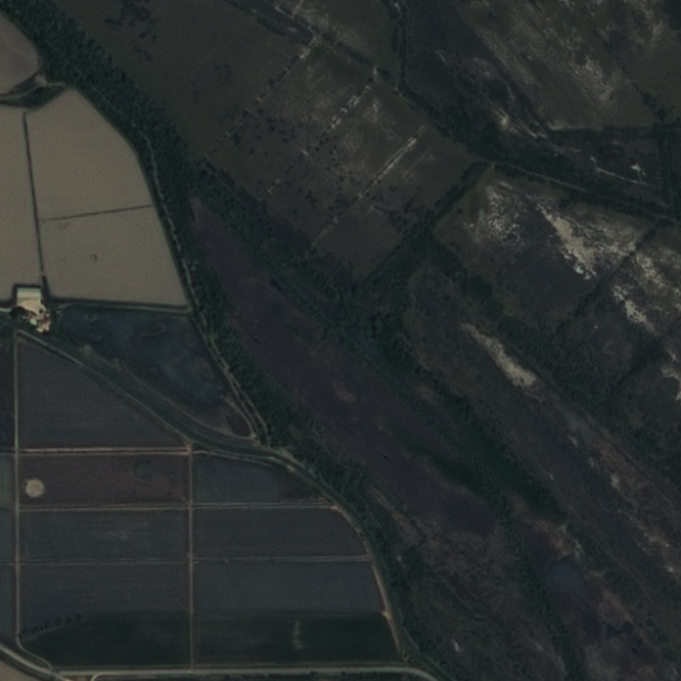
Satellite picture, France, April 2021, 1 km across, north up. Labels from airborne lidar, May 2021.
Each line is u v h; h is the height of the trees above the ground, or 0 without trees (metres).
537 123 0
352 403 0
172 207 8
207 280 9
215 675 0
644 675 0
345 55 0
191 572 0
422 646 9
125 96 9
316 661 0
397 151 0
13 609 0
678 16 0
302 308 6
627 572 0
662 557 0
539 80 0
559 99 0
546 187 0
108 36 0
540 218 0
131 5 0
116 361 0
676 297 0
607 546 0
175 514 0
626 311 0
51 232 0
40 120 0
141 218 0
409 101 0
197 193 7
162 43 0
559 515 7
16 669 0
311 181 0
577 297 0
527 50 0
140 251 0
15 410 0
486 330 0
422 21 0
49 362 0
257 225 7
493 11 0
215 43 0
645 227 0
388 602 0
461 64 0
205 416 0
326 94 0
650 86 0
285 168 0
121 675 0
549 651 0
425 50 0
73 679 0
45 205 0
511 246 0
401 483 0
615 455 0
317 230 0
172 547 0
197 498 0
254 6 0
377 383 0
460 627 0
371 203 0
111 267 0
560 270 0
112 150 0
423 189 0
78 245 0
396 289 6
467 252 0
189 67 0
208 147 0
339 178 0
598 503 0
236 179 0
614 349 0
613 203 9
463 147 0
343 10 0
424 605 0
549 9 0
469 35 0
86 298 0
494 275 0
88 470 0
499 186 0
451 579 0
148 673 0
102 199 0
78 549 0
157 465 0
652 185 0
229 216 8
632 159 0
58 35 11
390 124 0
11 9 9
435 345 0
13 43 0
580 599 0
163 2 0
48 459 0
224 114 0
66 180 0
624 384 8
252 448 0
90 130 0
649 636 0
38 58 0
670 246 0
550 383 0
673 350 0
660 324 0
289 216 0
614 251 0
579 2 0
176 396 0
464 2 0
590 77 0
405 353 11
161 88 0
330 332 7
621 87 0
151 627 0
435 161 0
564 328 7
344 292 12
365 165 0
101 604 0
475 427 9
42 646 0
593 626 0
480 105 0
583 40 0
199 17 0
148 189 0
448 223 0
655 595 0
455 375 0
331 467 6
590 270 0
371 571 0
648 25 0
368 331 12
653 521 0
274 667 0
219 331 10
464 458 6
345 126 0
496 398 0
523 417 0
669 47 0
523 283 0
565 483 0
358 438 0
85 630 0
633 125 0
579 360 6
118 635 0
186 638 0
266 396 10
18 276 0
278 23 0
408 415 0
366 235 0
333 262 0
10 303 6
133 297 0
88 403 0
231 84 0
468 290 7
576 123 0
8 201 0
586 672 6
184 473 0
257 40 0
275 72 0
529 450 0
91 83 10
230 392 0
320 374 0
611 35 0
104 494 0
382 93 0
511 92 0
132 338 0
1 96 0
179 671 0
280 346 0
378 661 0
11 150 0
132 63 0
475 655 0
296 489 0
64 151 0
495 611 0
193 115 0
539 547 0
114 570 0
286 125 0
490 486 7
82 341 0
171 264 0
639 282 0
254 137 0
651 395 0
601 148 0
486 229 0
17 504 0
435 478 0
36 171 0
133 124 10
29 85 0
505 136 0
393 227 0
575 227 0
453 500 0
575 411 0
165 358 0
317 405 0
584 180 7
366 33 0
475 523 0
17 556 0
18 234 0
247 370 7
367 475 5
